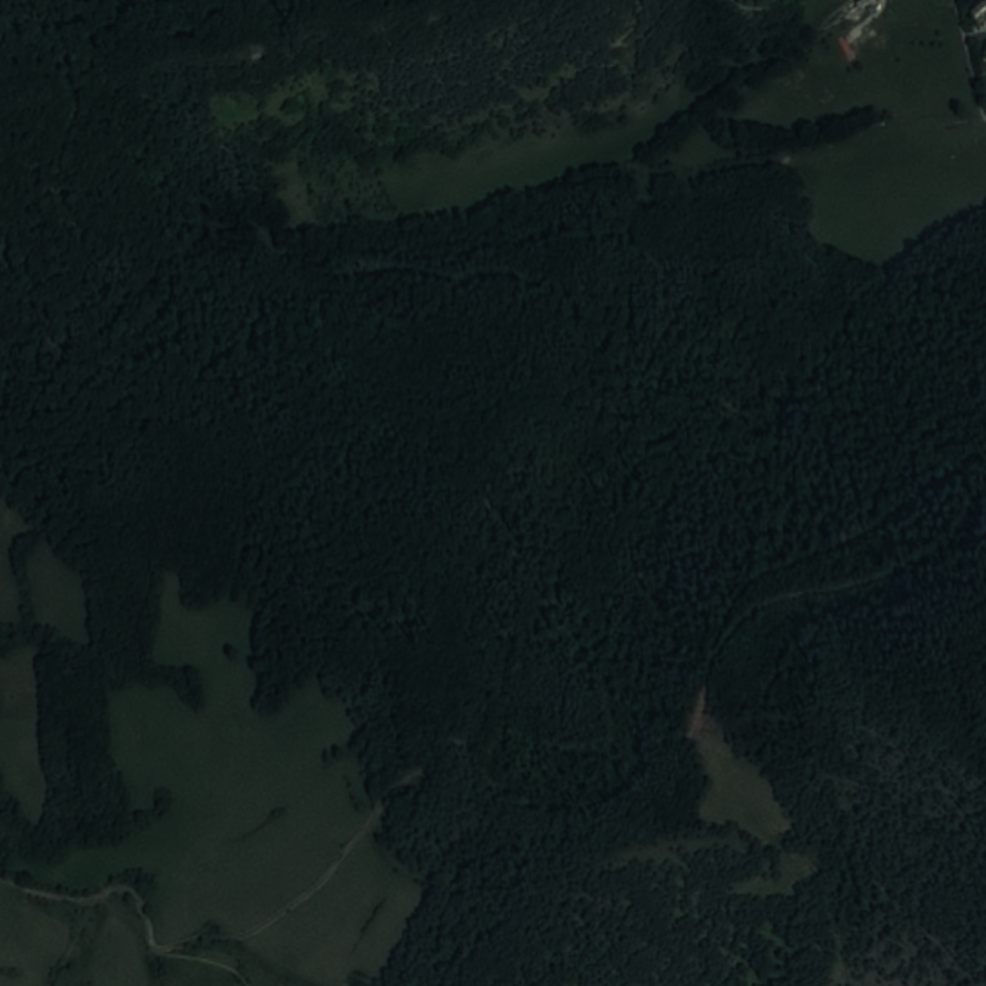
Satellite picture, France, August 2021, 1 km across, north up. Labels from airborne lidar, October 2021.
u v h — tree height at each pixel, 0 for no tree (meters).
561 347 24
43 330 28
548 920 16
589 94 14
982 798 9
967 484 9
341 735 0
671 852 7
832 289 14
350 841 0
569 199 25
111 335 22
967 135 0
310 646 21
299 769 0
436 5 8
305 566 19
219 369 33
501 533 27
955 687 22
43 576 0
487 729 23
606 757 12
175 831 0
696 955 13
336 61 12
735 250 19
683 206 19
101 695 15
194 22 30
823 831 11
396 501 19
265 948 0
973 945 19
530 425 16
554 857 16
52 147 27
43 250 24
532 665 23
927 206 0
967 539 6
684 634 9
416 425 20
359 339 22
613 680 21
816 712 16
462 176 0
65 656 7
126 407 26
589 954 15
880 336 18
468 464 21
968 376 20
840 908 17
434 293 26
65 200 24
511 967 18
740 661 6
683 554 31
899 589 9
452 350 21
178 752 0
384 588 22
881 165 0
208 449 21
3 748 0
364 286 23
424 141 13
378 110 13
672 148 24
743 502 27
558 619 26
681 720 23
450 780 14
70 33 29
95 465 22
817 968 17
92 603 13
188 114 6
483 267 16
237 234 17
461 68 13
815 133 25
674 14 15
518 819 19
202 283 21
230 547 27
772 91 0
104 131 23
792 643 8
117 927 0
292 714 0
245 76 16
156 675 11
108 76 31
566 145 0
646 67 14
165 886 0
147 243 29
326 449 19
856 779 11
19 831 8
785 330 22
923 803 18
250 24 23
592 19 14
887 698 16
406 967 16
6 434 22
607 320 24
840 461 30
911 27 0
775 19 11
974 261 26
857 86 0
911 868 14
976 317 23
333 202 10
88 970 0
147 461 26
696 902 10
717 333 17
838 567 7
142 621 21
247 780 0
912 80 0
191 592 11
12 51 23
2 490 14
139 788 0
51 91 13
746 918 15
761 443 28
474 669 18
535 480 12
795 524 21
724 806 0
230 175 20
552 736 25
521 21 12
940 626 23
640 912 15
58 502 24
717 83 19
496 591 24
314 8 21
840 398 30
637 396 23
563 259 24
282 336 24
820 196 0
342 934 0
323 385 23
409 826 12
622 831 14
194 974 0
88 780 17
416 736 22
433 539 27
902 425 25
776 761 11
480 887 8
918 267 19
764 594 12
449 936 13
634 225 22
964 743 10
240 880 0
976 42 10
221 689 0
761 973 19
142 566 14
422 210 0
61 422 22
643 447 17
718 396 16
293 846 0
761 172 16
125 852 0
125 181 29
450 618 26
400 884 0
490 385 29
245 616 0
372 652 17
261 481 24
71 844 13
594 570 21
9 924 0
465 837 8
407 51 14
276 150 13
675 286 21
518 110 12
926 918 20
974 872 19
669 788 27
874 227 0
